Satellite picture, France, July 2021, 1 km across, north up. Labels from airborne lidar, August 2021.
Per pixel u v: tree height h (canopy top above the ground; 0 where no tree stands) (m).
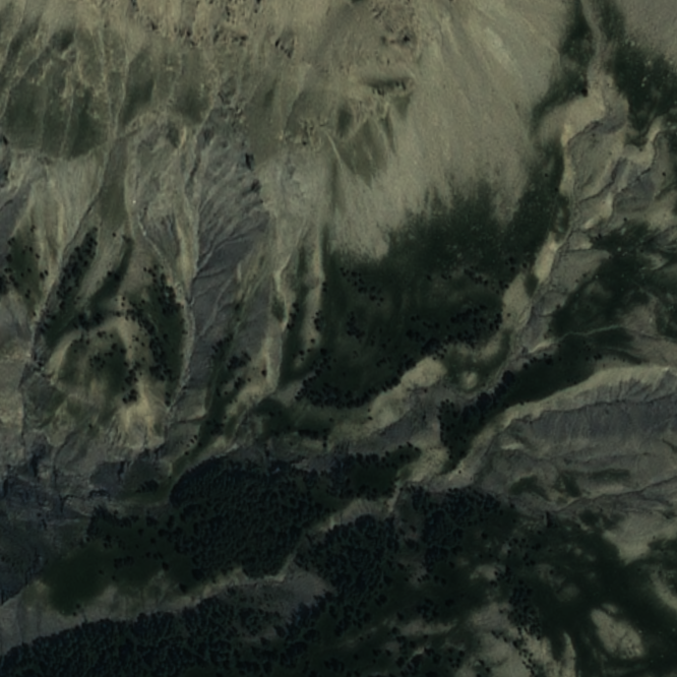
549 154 0
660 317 0
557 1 0
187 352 0
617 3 0
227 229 0
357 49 0
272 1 0
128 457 0
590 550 0
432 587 0
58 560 0
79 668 25
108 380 0
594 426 0
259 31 0
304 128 0
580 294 0
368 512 0
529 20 0
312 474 11
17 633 0
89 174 0
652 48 0
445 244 0
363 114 0
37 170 0
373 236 0
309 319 0
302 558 12
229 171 0
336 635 10
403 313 0
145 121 0
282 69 0
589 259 0
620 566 0
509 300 0
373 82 0
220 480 18
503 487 0
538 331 0
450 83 0
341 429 0
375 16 0
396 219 0
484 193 0
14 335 0
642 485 0
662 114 0
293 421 0
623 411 0
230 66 0
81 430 0
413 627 0
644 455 0
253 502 14
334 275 0
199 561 21
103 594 0
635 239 0
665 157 0
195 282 0
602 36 0
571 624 0
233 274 0
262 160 0
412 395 0
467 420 14
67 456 0
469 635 0
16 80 0
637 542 0
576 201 0
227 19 0
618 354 0
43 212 0
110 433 0
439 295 0
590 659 0
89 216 0
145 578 0
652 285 0
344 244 0
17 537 0
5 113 0
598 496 0
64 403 0
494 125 0
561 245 0
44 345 0
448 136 0
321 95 0
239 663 9
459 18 0
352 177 0
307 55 0
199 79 0
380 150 0
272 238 0
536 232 0
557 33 0
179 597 0
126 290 0
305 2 0
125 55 0
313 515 26
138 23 0
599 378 0
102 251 0
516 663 0
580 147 0
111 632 22
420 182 0
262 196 0
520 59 0
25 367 0
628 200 0
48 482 0
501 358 0
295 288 0
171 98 0
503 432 0
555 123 0
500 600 0
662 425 0
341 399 6
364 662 0
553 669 0
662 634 0
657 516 0
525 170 0
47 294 0
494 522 0
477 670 0
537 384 0
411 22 0
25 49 0
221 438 0
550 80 0
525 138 0
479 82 0
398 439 0
